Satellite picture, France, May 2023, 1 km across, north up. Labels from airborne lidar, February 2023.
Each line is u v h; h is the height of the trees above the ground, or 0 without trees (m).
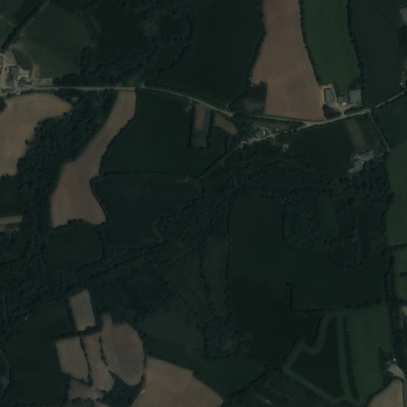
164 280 11
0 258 0
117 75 0
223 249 0
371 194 19
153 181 0
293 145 0
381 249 0
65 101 6
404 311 0
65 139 10
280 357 0
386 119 0
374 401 0
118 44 0
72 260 0
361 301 0
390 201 15
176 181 0
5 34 0
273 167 11
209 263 0
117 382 9
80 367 0
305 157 6
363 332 0
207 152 13
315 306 0
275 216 0
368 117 10
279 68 0
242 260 0
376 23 0
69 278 6
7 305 13
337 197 8
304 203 23
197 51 0
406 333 0
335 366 0
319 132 0
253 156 6
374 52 0
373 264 0
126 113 0
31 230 9
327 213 0
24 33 0
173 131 0
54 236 0
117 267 15
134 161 0
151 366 0
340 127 0
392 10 0
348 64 0
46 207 18
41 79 0
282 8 0
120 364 0
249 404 6
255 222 0
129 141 0
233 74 0
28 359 0
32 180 10
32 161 10
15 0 0
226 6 0
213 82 0
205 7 0
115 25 0
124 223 0
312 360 0
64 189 0
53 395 0
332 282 0
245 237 0
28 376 0
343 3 0
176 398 0
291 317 0
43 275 14
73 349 0
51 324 0
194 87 0
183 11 9
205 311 0
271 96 0
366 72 0
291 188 8
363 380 0
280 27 0
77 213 0
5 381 0
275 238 0
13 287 10
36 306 16
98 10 0
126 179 0
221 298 0
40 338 0
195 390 0
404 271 0
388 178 0
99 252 0
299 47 0
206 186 8
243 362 0
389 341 0
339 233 0
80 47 0
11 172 0
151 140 0
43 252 15
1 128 0
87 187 0
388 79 0
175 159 0
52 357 0
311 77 0
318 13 0
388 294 14
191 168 0
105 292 9
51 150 13
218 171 0
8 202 0
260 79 0
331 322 0
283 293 0
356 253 8
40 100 0
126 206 0
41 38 0
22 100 0
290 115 0
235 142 7
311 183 12
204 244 11
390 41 0
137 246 0
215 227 12
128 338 0
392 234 0
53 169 14
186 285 0
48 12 0
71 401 6
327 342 0
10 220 0
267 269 0
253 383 11
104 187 0
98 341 8
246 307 0
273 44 0
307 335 0
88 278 12
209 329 13
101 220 0
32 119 0
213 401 0
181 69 0
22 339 0
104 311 13
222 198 10
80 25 0
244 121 9
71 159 11
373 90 0
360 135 0
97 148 0
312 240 19
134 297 0
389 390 0
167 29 0
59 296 13
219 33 0
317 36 0
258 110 0
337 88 0
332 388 0
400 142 0
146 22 12
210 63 0
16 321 14
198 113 0
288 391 0
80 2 0
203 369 0
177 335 0
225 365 0
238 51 0
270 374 9
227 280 7
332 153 0
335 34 0
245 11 0
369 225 0
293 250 0
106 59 0
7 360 6
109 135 0
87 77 18
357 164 0
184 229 9
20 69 0
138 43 0
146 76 0
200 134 0
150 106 0
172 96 8
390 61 0
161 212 0
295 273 0
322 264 0
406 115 0
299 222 22
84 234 0
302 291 0
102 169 7
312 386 0
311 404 0
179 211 0
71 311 10
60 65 0
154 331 0
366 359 0
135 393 9
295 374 0
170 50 0
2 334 16
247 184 10
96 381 0
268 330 0
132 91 0
